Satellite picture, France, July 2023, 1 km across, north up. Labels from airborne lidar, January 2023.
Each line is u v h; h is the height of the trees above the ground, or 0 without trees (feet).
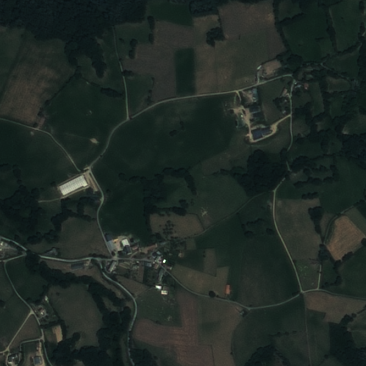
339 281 52
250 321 0
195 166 0
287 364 40
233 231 0
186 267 0
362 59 55
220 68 0
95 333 0
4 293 0
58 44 0
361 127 0
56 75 0
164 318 0
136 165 0
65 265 0
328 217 0
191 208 0
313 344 0
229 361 0
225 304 0
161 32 0
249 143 0
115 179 0
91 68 0
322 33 0
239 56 0
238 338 0
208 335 0
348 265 0
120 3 69
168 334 0
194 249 0
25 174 0
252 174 52
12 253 0
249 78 0
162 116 0
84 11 89
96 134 0
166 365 0
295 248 0
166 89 0
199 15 87
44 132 0
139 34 0
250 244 0
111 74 0
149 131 0
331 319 0
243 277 0
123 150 0
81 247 0
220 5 34
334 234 0
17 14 44
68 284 69
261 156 68
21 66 0
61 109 0
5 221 0
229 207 0
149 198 50
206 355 0
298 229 0
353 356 54
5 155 0
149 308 0
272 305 0
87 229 0
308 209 0
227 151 0
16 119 0
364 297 0
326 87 20
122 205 0
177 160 0
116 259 0
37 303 43
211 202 0
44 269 67
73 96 0
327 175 0
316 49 0
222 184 0
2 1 113
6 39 0
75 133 0
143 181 56
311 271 0
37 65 0
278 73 0
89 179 0
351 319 60
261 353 65
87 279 67
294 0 59
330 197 0
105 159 0
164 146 0
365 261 0
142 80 0
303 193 0
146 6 45
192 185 59
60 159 0
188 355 0
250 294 0
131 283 0
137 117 0
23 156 0
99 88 22
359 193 0
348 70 0
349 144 82
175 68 0
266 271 0
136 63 0
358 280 0
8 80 0
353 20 0
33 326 0
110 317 56
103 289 56
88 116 0
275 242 0
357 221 0
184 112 0
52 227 0
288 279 0
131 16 63
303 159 52
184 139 0
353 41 0
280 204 0
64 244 0
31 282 0
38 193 69
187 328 0
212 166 0
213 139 0
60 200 0
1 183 0
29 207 37
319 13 0
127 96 0
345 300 0
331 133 64
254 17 0
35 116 0
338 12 0
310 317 0
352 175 0
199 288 0
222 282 0
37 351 0
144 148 0
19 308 0
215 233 0
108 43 0
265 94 0
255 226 36
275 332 0
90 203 65
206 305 0
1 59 0
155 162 0
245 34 0
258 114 0
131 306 0
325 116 54
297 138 28
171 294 0
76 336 50
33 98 0
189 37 0
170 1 37
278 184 27
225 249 0
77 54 51
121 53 0
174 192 0
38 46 0
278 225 0
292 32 0
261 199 0
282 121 0
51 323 24
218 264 0
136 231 0
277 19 39
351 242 0
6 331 0
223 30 18
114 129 0
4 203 36
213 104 0
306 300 0
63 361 68
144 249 0
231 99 0
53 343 0
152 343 0
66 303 0
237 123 0
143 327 0
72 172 0
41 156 0
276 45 0
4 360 0
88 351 71
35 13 62
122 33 0
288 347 0
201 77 0
